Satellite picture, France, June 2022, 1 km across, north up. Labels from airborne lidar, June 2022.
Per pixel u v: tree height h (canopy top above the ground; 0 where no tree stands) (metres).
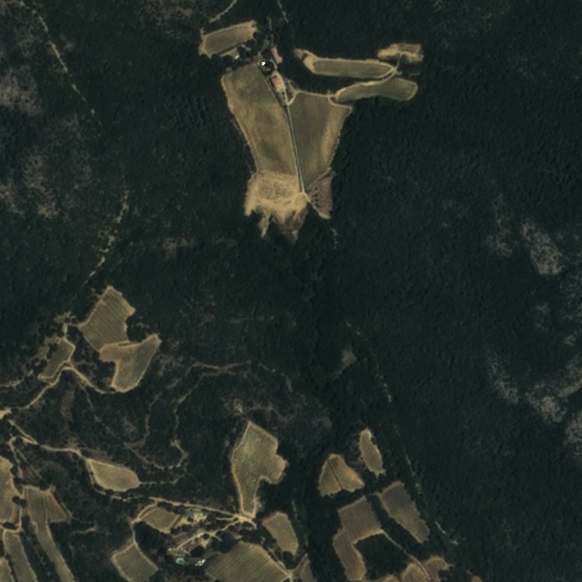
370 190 8
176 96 9
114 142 10
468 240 9
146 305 8
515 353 7
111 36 10
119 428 9
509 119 9
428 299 8
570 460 11
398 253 11
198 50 9
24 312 11
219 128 10
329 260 15
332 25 9
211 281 10
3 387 8
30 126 7
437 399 11
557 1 9
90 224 7
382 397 10
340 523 8
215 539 10
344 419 8
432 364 10
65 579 0
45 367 8
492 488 11
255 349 10
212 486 8
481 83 12
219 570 0
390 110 8
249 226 10
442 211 6
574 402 7
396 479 10
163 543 12
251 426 0
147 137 12
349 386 20
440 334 11
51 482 9
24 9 6
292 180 0
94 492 8
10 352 10
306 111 0
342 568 10
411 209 10
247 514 0
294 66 18
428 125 9
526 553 12
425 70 6
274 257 8
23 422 8
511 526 13
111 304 0
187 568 8
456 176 8
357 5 11
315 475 12
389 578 0
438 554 7
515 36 8
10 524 10
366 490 11
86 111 8
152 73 8
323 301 17
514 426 10
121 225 9
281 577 0
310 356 14
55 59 8
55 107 5
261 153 0
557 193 11
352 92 0
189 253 8
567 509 11
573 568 7
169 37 7
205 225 8
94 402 10
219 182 15
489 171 8
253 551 0
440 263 13
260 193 0
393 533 12
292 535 0
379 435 13
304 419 7
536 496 12
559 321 7
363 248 10
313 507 12
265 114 0
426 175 9
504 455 11
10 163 8
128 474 0
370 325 15
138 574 0
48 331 9
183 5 9
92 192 9
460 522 9
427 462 13
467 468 10
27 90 9
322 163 0
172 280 8
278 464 0
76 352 7
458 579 13
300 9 10
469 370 10
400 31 10
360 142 12
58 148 6
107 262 8
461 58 12
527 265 8
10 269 11
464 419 10
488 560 14
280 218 0
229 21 7
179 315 10
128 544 0
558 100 7
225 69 9
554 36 7
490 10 6
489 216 9
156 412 8
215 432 7
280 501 13
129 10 8
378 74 0
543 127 8
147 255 9
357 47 8
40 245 10
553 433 8
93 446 7
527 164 8
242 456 0
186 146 9
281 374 8
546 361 6
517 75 11
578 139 12
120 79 12
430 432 13
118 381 0
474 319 8
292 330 11
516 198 6
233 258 8
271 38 8
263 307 10
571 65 6
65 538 10
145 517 0
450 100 8
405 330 12
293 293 14
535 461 12
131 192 10
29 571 0
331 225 10
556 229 8
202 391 9
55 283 12
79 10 11
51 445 8
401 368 13
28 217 8
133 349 0
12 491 0
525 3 7
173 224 8
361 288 15
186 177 13
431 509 14
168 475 9
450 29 6
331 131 0
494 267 8
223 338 8
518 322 8
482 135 8
